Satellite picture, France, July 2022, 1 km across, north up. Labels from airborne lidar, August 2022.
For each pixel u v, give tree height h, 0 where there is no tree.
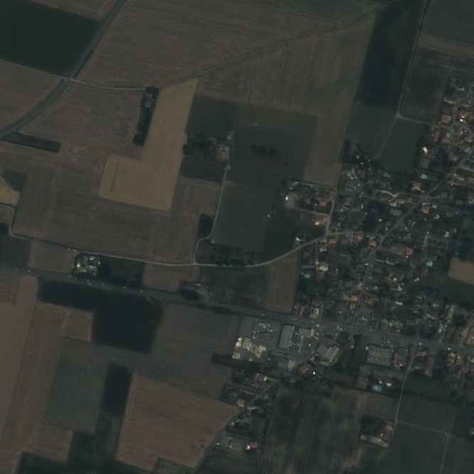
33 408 0
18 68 0
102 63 0
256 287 0
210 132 0
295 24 0
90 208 0
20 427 0
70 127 0
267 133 0
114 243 0
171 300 0
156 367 0
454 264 0
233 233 0
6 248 0
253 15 0
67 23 0
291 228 0
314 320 0
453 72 0
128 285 16
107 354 0
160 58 0
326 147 0
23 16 0
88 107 0
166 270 0
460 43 0
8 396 0
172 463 0
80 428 0
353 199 0
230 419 0
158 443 0
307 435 0
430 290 20
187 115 0
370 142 0
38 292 0
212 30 0
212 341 0
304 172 0
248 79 0
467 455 0
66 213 0
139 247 0
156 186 0
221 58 0
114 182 0
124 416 0
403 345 0
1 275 0
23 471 0
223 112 0
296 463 0
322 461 0
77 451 0
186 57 0
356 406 0
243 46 0
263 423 0
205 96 0
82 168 0
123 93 0
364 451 0
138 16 0
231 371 0
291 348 0
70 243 0
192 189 0
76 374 0
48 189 0
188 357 0
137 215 0
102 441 0
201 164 0
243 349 0
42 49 0
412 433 0
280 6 0
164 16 0
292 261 0
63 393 0
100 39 0
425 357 7
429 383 0
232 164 0
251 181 0
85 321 0
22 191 0
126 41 0
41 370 0
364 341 0
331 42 0
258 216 0
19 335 0
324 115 0
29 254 0
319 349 0
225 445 0
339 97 0
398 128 0
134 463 0
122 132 0
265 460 0
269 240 0
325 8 0
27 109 0
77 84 0
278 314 0
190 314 0
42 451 0
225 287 0
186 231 0
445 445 0
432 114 0
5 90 0
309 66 0
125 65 0
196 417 0
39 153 0
